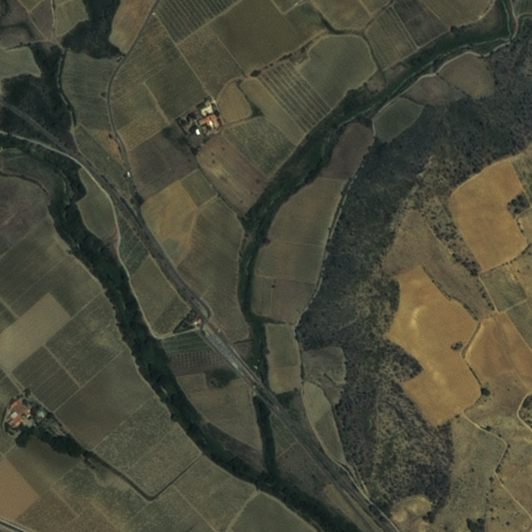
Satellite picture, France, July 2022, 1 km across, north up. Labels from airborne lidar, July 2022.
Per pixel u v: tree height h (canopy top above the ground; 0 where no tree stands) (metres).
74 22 0
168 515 0
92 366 0
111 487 0
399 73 0
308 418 0
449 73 0
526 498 0
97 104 0
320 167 11
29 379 0
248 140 0
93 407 0
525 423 0
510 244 0
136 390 0
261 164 0
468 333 0
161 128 0
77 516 0
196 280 0
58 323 0
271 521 0
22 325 0
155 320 0
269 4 0
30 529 0
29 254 0
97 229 0
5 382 0
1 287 0
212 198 0
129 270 0
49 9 0
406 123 0
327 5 0
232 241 0
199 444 14
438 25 0
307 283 0
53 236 0
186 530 0
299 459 0
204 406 0
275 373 0
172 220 0
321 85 0
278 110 0
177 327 7
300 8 0
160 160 0
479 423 0
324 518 17
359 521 0
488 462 0
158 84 0
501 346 0
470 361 0
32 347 0
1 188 0
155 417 0
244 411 0
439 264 0
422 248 0
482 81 0
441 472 14
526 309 0
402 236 0
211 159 0
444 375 0
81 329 0
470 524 12
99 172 0
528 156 0
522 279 0
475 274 10
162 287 0
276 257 0
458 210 0
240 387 0
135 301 7
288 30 0
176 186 0
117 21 0
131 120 0
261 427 8
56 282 0
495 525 0
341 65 0
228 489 0
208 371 0
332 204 0
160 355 7
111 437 0
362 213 0
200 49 0
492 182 0
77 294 0
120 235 0
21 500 0
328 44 0
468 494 0
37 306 0
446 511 0
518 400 0
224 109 0
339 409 12
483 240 0
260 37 0
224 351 0
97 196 0
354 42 0
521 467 0
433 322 0
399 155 0
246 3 0
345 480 0
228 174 0
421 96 0
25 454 0
